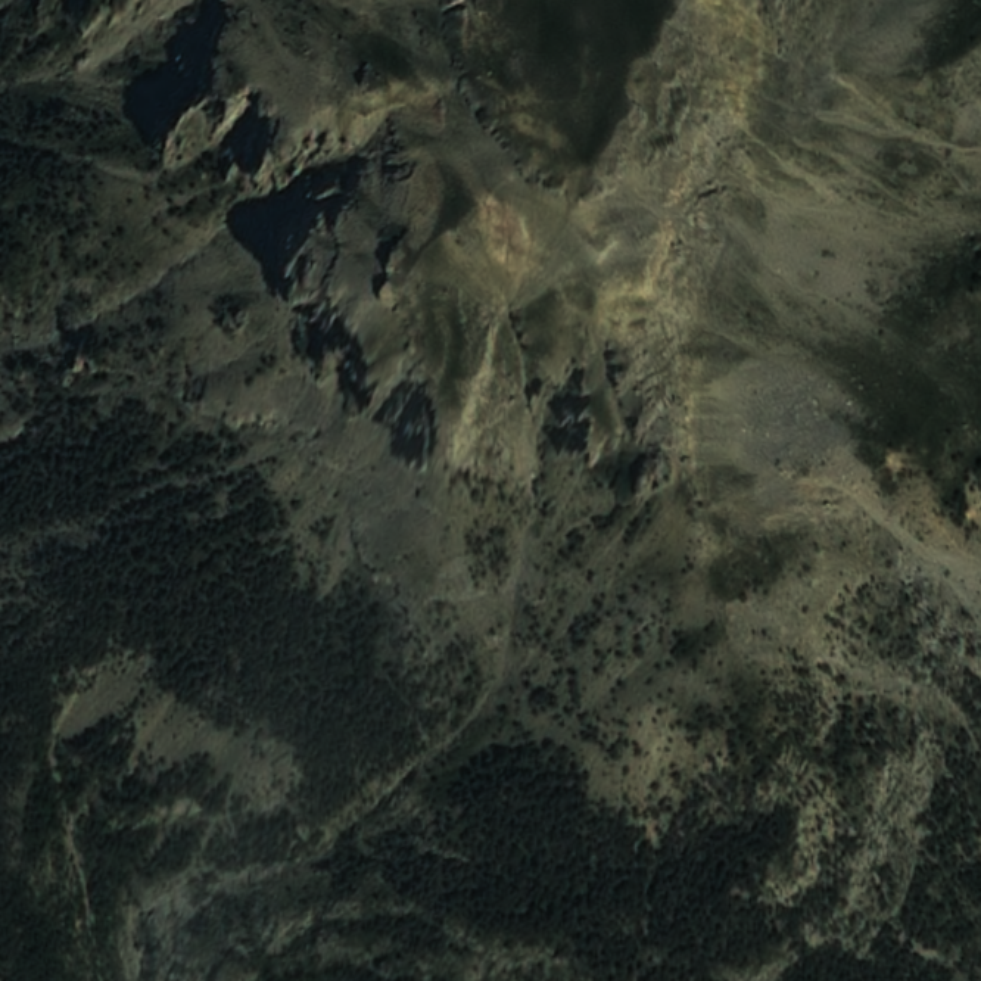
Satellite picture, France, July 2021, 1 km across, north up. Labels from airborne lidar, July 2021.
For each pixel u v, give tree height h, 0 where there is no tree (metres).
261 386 0
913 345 0
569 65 0
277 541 6
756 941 6
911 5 0
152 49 0
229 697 7
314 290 0
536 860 14
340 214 0
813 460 0
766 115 0
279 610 11
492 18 0
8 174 11
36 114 12
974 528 7
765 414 0
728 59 0
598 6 0
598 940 10
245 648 10
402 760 10
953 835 8
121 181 0
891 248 0
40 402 9
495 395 0
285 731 11
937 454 0
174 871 9
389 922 12
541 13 0
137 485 16
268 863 11
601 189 0
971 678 9
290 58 0
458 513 0
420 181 0
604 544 0
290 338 0
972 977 7
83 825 8
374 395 0
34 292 0
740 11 0
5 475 8
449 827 10
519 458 0
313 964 8
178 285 0
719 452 0
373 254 0
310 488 0
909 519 0
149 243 0
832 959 10
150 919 0
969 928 11
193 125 0
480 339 0
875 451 0
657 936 14
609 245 0
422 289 0
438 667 10
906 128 0
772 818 7
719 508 0
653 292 0
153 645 13
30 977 8
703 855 8
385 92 0
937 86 0
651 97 0
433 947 10
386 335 0
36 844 9
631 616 9
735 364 0
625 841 10
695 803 7
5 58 12
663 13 0
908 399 0
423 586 0
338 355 0
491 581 0
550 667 0
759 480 0
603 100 0
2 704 13
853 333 0
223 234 0
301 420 0
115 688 0
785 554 0
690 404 0
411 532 0
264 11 0
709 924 10
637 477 0
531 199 0
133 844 11
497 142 0
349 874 7
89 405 12
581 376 0
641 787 0
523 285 0
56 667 9
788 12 0
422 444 0
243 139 0
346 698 18
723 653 0
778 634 0
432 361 0
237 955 7
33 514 11
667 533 0
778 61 0
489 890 16
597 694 0
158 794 12
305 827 54
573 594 0
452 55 0
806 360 0
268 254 0
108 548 10
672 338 0
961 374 0
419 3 0
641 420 0
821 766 6
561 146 0
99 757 13
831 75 0
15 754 10
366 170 0
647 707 0
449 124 0
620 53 0
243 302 0
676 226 0
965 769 8
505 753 21
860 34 0
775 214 0
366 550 0
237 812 9
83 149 6
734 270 0
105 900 12
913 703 0
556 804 13
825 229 0
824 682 0
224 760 0
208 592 9
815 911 9
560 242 0
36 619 6
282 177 0
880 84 0
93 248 0
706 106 0
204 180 0
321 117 0
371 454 0
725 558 0
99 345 9
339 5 0
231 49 0
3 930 15
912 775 0
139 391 0
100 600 11
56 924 7
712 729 8
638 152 0
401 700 11
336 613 8
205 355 0
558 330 0
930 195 0
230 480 10
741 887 13
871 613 0
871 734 13
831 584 0
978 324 0
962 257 0
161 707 0
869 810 7
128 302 0
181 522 8
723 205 0
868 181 0
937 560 0
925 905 9
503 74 0
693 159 0
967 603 0
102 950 11
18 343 0
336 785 15
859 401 0
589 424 0
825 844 7
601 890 16
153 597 8
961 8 0
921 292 0
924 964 7
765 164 0
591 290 0
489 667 0
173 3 0
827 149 0
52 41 8
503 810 11
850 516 0
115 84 0
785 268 0
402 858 7
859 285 0
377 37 0
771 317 0
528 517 0
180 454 14
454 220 0
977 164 0
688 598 0
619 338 0
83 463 15
